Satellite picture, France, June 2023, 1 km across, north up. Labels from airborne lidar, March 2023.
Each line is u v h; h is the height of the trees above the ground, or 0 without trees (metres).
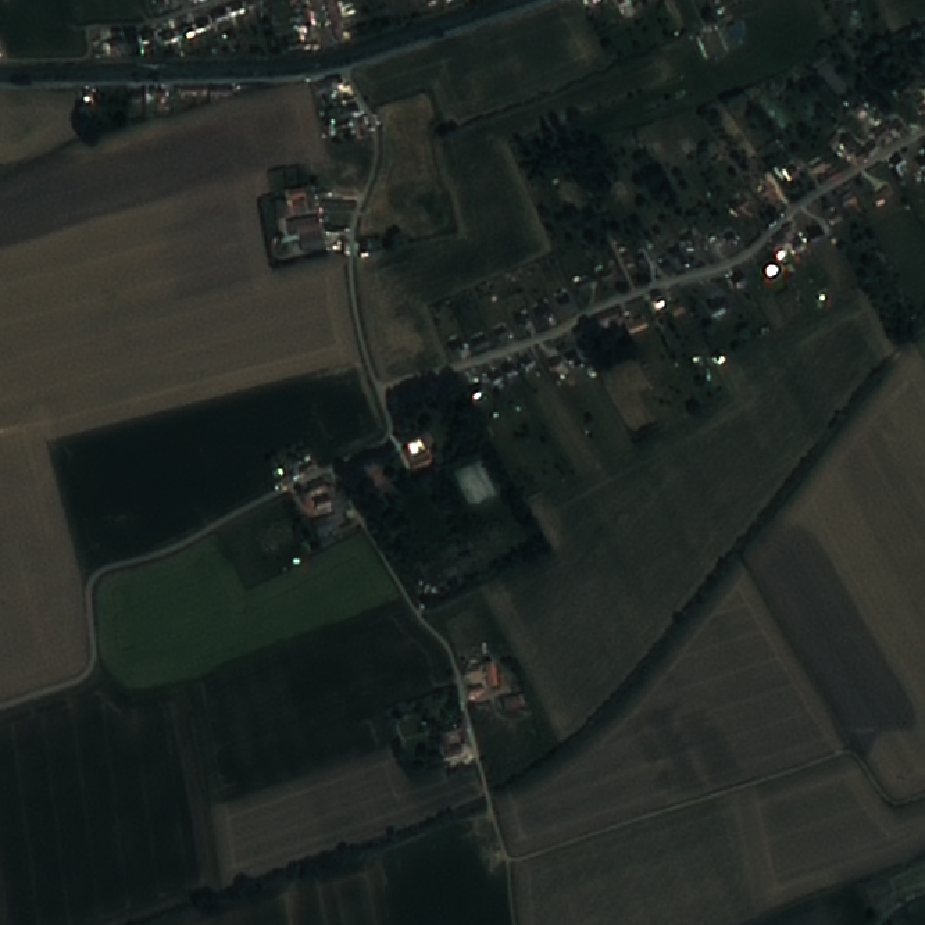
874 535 0
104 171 0
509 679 0
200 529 0
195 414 0
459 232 0
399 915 0
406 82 0
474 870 0
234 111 0
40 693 0
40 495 0
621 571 0
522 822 0
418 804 0
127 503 0
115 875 0
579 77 0
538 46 0
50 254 0
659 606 0
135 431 0
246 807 0
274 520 0
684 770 0
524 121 0
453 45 0
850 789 0
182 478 0
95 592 0
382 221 0
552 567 0
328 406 0
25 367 0
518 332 0
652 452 0
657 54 0
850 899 0
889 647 0
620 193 0
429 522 0
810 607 0
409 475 11
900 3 0
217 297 0
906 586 0
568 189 0
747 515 0
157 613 0
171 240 0
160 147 0
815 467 0
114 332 0
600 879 0
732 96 8
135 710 0
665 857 0
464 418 23
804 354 0
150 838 0
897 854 0
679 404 0
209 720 0
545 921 0
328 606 0
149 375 0
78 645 0
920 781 0
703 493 0
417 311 0
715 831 0
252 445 0
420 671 0
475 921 0
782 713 0
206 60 0
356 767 0
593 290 0
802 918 0
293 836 0
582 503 0
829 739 0
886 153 0
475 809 0
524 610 0
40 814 0
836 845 0
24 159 0
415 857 0
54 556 0
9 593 0
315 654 0
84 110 13
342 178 0
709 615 0
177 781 0
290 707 0
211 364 0
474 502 0
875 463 0
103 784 0
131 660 0
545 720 0
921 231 0
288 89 0
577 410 0
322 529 0
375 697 0
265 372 0
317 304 0
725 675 0
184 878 0
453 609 0
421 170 0
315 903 0
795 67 0
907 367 0
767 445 0
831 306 0
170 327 0
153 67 0
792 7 0
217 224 0
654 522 0
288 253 0
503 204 0
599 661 0
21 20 0
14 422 0
